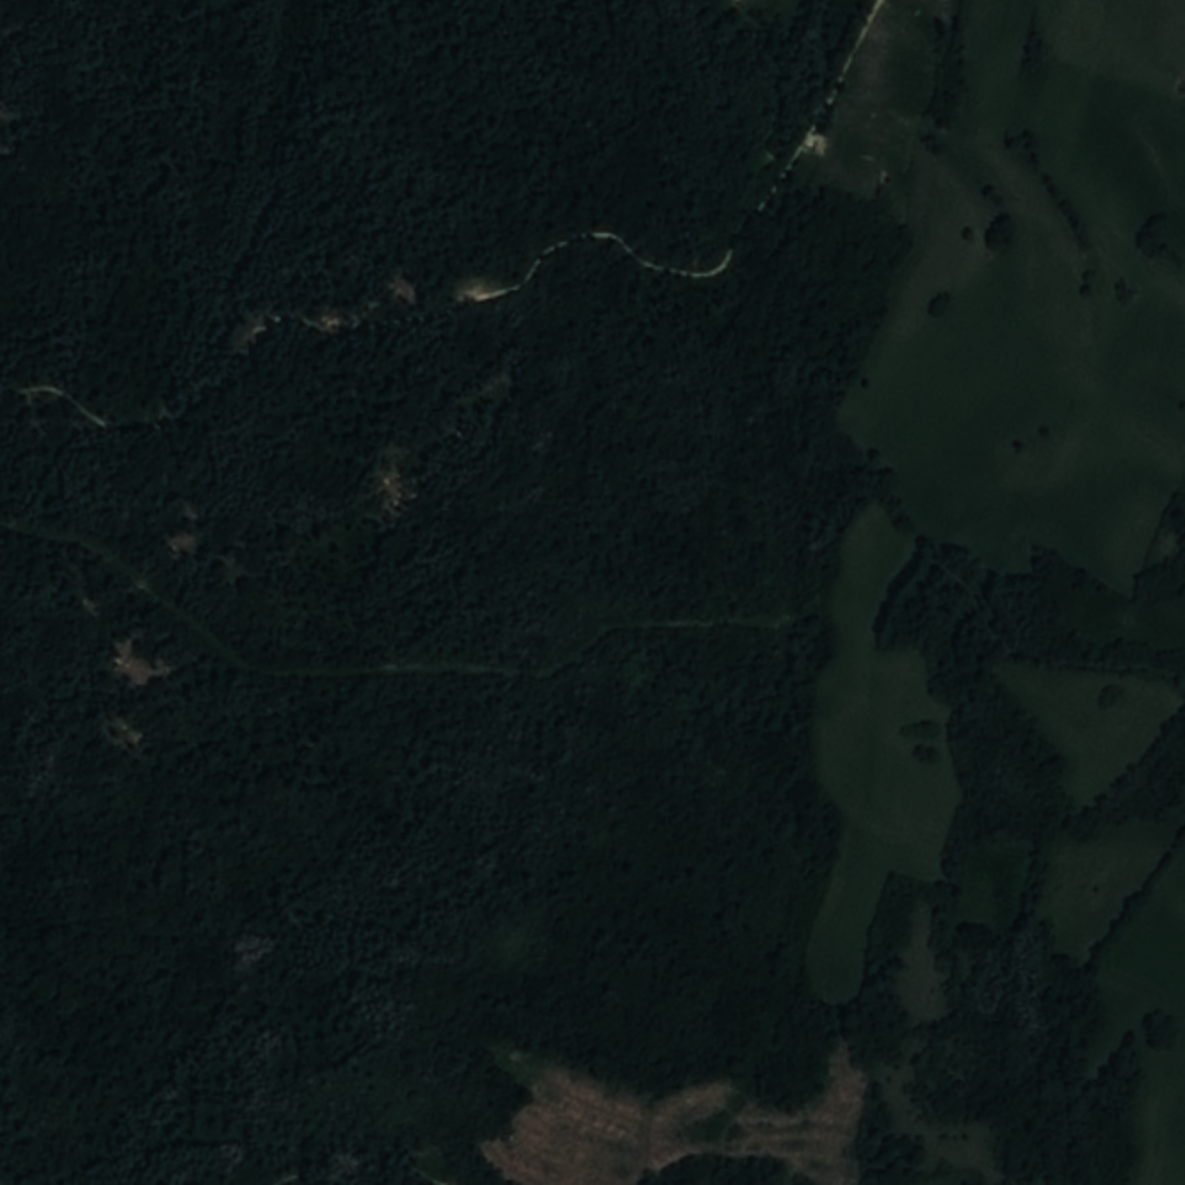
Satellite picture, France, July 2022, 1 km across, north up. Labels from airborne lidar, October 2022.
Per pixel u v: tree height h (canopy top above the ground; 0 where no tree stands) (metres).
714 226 15
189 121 9
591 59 8
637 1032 8
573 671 11
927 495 0
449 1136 7
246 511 20
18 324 13
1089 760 0
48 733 9
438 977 7
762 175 13
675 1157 0
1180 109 0
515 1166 0
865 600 0
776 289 21
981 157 0
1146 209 0
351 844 12
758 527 7
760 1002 8
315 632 7
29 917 11
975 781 8
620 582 16
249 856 10
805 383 26
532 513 9
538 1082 0
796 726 30
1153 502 0
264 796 20
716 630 9
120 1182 23
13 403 15
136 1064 11
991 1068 7
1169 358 0
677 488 23
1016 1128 12
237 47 14
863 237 8
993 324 0
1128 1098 18
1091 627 0
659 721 12
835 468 14
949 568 15
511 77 23
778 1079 8
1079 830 12
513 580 11
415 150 22
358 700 14
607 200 11
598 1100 0
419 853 15
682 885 9
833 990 0
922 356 0
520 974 8
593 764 8
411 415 23
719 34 16
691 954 10
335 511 16
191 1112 8
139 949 12
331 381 16
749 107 22
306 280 12
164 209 19
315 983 13
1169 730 13
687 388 11
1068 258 0
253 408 11
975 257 0
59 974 14
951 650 6
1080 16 0
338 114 20
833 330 13
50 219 16
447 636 16
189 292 6
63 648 9
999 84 0
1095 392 0
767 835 7
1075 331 0
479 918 6
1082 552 0
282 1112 6
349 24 7
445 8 16
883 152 0
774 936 7
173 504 19
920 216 0
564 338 13
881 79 0
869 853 0
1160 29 0
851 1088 0
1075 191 0
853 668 0
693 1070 20
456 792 16
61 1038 14
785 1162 8
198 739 9
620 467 8
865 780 0
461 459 7
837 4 9
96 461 15
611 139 12
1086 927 0
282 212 23
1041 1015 13
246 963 21
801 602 12
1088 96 0
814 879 17
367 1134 8
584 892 18
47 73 20
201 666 13
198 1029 17
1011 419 0
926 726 9
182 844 10
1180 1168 0
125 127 23
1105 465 0
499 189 14
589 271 8
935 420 0
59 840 8
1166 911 0
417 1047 8
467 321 14
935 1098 7
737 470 11
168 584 11
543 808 6
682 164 8
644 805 7
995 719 15
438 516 8
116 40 19
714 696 7
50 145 21
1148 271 0
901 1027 8
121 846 20
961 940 6
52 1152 18
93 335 8
